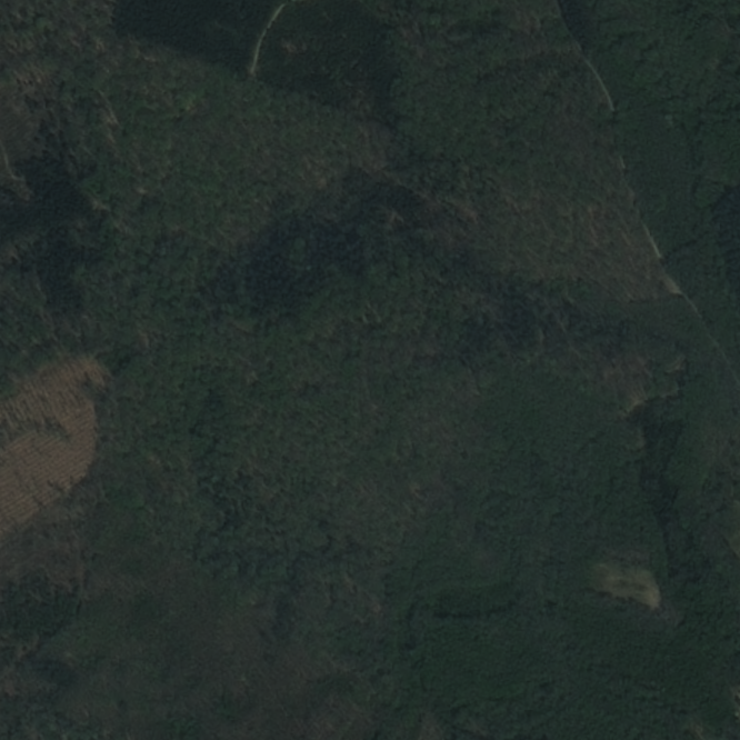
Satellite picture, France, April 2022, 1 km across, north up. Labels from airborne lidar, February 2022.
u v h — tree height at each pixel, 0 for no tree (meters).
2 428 8
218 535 19
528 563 30
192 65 27
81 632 16
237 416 24
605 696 19
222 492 21
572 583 24
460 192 20
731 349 17
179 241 26
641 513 23
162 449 25
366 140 28
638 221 23
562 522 28
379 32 10
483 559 28
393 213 6
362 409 23
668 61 27
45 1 28
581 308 24
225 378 27
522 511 24
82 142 27
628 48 31
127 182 26
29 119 0
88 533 16
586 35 31
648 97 8
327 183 24
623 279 24
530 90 24
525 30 28
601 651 18
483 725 28
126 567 22
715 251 11
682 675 22
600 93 17
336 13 8
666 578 18
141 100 32
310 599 29
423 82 21
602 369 26
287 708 13
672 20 20
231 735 24
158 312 24
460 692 25
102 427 17
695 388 21
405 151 21
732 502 17
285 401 28
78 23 27
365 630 25
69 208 22
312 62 9
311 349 23
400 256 26
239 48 14
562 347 23
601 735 24
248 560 25
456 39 23
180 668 20
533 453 25
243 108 29
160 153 24
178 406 29
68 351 30
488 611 7
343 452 26
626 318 22
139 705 13
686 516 27
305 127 25
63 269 19
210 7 24
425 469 30
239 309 25
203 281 14
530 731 22
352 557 27
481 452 33
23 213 19
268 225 27
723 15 26
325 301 28
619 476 23
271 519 27
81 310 24
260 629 18
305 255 25
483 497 29
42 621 14
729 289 14
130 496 30
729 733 26
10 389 31
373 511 26
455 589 19
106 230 18
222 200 19
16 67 29
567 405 21
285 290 33
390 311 29
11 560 0
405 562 27
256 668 13
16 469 0
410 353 30
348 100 10
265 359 22
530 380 23
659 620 20
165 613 24
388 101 8
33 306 27
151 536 19
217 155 31
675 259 21
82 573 0
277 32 8
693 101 28
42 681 21
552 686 19
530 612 28
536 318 23
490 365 23
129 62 25
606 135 17
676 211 13
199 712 29
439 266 23
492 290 20
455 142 26
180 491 27
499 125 25
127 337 28
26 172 13
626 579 0
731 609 22
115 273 21
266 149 26
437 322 25
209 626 15
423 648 23
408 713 28
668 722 22
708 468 22
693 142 12
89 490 21
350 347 26
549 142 25
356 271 31
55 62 26
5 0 29
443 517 30
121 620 15
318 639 26
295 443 28
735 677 21
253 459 21
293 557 29
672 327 23
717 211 20
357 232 9
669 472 19
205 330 24
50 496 0
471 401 29
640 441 24
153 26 21
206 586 13
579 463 30
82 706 14
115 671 24
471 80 26
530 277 20
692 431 19
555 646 26
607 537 26
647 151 12
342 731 24
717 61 27
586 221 23
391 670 26
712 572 21
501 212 21
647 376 26
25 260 17
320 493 29
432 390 26
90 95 29
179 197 25
